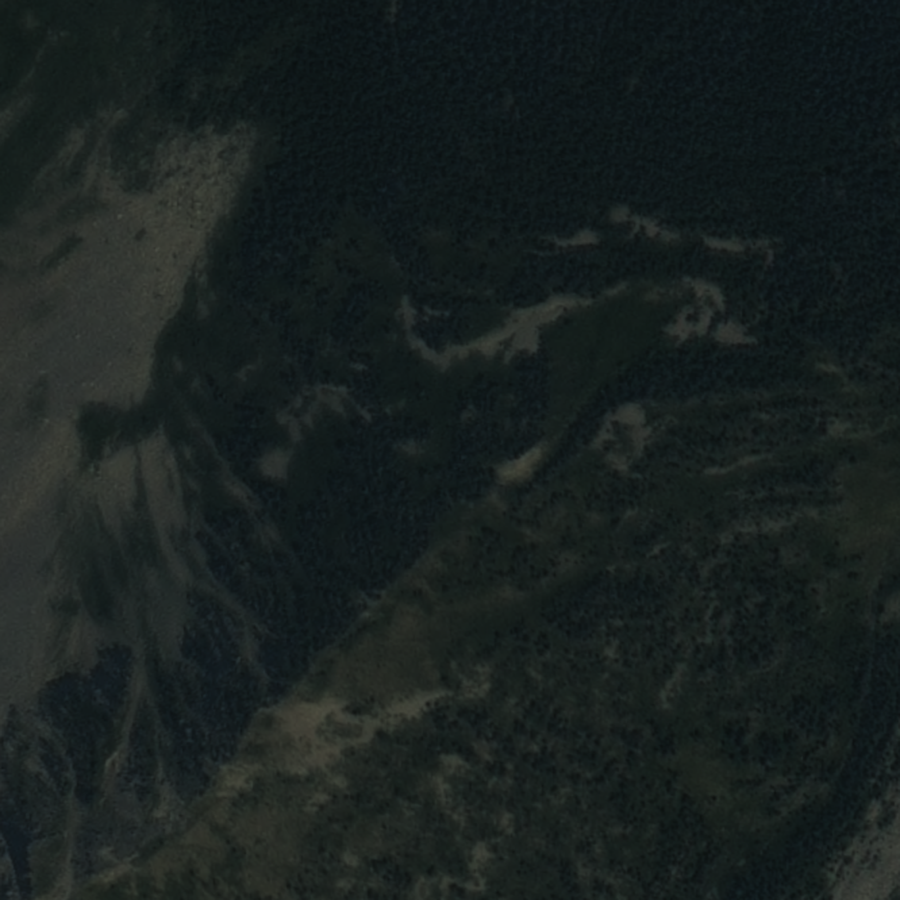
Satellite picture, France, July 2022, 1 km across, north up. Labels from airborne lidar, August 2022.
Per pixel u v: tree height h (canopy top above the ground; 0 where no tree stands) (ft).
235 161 0
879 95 57
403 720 0
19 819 0
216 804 0
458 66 40
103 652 0
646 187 32
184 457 0
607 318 0
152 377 0
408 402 0
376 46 40
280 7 28
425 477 29
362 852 0
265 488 29
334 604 22
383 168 28
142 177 0
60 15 0
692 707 0
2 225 0
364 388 31
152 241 0
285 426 0
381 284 20
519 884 0
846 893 0
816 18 30
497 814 0
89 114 0
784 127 35
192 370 0
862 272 24
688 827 27
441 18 33
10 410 0
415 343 0
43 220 0
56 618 0
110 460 0
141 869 0
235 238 0
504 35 75
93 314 0
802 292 60
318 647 24
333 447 0
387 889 0
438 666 0
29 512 0
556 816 0
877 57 71
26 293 0
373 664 0
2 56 0
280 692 20
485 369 0
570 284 31
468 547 0
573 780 29
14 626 0
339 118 37
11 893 0
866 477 0
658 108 51
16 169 0
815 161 48
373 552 19
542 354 25
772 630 31
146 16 0
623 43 31
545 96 31
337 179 26
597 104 35
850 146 32
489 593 0
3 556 0
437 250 0
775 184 30
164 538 0
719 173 29
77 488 0
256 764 0
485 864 0
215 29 21
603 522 0
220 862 0
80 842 0
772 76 32
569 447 27
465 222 31
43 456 0
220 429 0
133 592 0
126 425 0
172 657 0
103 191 0
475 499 22
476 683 0
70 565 0
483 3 73
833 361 0
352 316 30
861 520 0
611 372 0
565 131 27
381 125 29
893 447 0
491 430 23
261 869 0
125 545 0
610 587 24
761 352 22
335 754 0
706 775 0
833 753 0
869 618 0
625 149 30
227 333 0
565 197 30
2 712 0
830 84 53
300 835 0
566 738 26
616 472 26
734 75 39
